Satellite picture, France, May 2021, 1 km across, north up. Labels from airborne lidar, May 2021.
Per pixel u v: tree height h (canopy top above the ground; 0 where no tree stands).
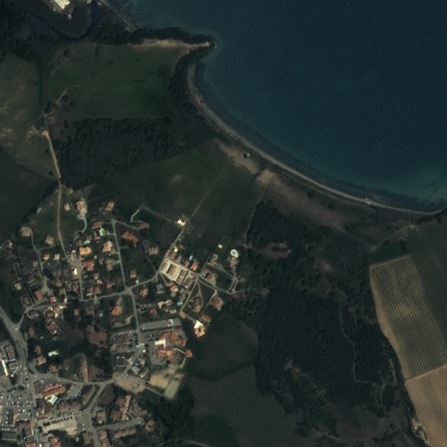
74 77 0
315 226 0
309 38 0
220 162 0
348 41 0
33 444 0
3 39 21
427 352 0
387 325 0
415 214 0
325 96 0
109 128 10
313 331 7
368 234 0
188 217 0
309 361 8
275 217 10
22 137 0
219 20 0
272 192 0
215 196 0
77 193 0
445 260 0
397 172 0
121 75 0
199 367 0
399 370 8
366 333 8
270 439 0
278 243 8
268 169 0
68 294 6
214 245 0
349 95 0
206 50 8
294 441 0
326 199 0
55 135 0
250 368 0
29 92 0
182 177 0
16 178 0
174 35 7
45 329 6
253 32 0
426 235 0
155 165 0
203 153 0
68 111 0
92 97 0
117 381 0
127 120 8
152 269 5
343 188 0
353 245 0
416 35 0
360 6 0
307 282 12
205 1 0
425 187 0
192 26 0
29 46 15
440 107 0
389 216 0
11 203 0
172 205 0
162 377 0
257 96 0
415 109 0
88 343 7
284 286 9
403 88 0
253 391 0
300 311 7
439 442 0
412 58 0
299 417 0
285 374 6
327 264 0
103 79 0
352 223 0
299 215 0
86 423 0
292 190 0
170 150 9
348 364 5
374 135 0
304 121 0
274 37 0
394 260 0
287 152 0
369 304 10
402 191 0
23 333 11
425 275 0
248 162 0
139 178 0
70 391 0
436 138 0
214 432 0
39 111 0
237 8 0
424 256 0
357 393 6
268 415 0
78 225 0
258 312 8
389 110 0
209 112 0
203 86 0
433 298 0
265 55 0
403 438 0
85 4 0
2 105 0
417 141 0
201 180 0
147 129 9
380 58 0
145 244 0
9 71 0
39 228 0
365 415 0
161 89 0
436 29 0
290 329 7
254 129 0
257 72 0
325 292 0
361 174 0
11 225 0
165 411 13
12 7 19
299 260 11
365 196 0
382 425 0
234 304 11
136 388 0
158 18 0
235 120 0
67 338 0
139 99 0
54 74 0
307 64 0
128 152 10
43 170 0
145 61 0
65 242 0
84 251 0
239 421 0
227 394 0
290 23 0
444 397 0
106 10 0
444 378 0
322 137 0
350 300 10
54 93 0
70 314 7
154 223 0
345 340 7
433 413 0
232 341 0
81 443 5
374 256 0
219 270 0
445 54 0
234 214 0
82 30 8
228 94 0
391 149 0
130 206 0
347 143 0
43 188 0
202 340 0
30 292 8
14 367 0
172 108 0
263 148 0
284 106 0
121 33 8
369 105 0
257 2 0
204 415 0
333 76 0
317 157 0
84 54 0
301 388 6
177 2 0
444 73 0
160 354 0
